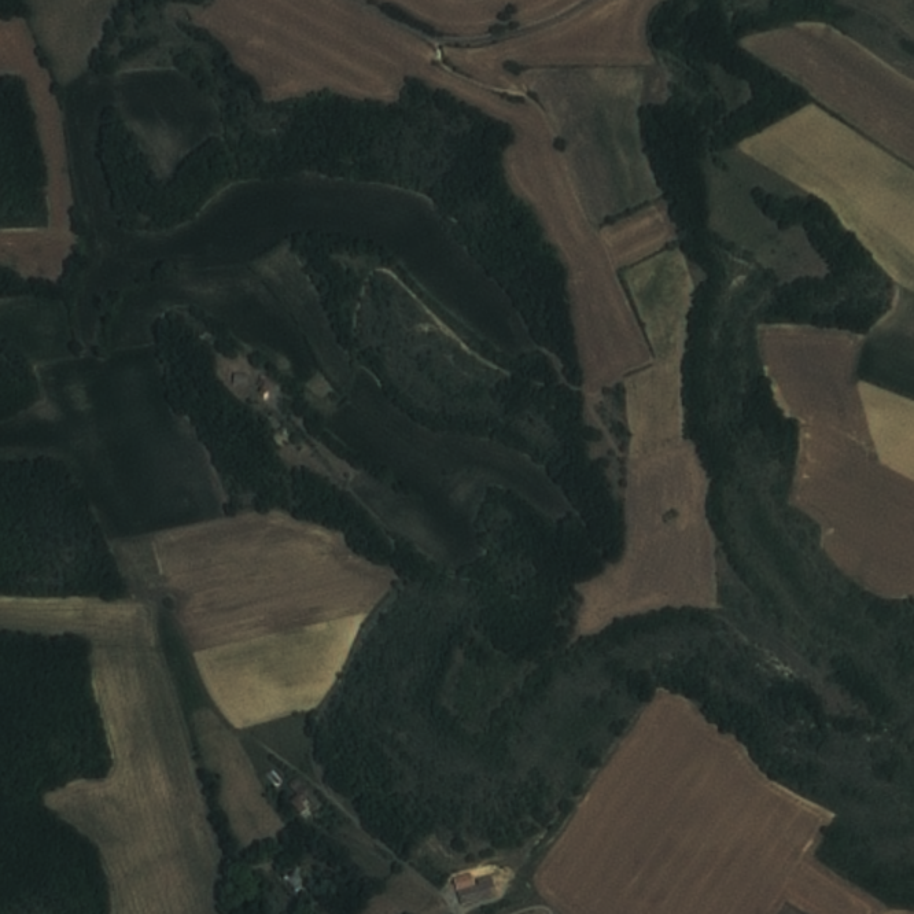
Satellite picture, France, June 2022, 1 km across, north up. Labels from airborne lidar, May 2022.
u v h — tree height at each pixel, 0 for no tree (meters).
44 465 19
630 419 0
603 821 0
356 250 12
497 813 9
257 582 0
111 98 0
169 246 0
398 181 7
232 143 9
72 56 0
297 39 0
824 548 0
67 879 16
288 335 0
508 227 13
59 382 0
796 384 0
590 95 0
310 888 24
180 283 0
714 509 11
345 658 0
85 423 0
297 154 12
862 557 0
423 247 0
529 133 0
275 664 0
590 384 0
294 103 6
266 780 0
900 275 0
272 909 12
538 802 9
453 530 0
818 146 0
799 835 0
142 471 0
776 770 8
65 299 17
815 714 11
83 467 0
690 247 13
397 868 12
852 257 13
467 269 0
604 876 0
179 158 0
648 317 0
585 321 0
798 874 0
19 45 0
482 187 16
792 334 0
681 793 0
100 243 0
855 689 11
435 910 0
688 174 21
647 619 9
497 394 10
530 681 9
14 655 24
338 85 0
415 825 9
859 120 0
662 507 0
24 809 21
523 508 16
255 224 0
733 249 7
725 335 6
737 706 12
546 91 0
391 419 0
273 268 0
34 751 13
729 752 0
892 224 0
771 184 0
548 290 15
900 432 0
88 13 0
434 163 10
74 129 0
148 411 0
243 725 0
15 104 20
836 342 0
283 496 6
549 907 0
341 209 0
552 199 0
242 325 0
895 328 0
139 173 16
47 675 20
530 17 0
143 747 0
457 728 8
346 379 0
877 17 0
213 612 0
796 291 6
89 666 16
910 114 0
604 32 0
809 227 13
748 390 7
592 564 16
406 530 0
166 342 14
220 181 13
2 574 7
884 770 12
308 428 13
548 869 0
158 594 0
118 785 0
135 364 0
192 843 0
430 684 8
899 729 6
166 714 0
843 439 0
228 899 24
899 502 0
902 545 0
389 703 9
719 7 14
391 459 0
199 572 0
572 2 0
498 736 6
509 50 0
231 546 0
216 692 0
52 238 0
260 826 0
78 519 14
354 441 0
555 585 9
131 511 0
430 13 0
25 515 12
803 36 0
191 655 0
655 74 0
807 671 0
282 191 0
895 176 0
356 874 23
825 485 0
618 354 0
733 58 20
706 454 13
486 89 0
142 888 0
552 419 10
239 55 0
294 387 7
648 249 0
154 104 0
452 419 11
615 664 8
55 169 0
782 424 13
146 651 0
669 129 18
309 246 12
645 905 0
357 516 13
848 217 0
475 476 0
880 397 0
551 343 11
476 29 0
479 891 0
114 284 0
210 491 0
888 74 0
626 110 0
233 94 11
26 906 12
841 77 0
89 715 14
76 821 0
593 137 0
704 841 0
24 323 0
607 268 0
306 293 0
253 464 10
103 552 13
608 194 0
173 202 13
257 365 13
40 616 0
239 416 15
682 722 0
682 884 0
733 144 13
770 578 0
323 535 0
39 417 0
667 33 8
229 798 0
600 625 0
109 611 0
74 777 10
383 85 0
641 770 0
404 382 6
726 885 0
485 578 11
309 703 0
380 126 15
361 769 12
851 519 0
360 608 0
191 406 10
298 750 0
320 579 0
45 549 7
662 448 0
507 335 0
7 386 13
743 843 0
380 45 0
